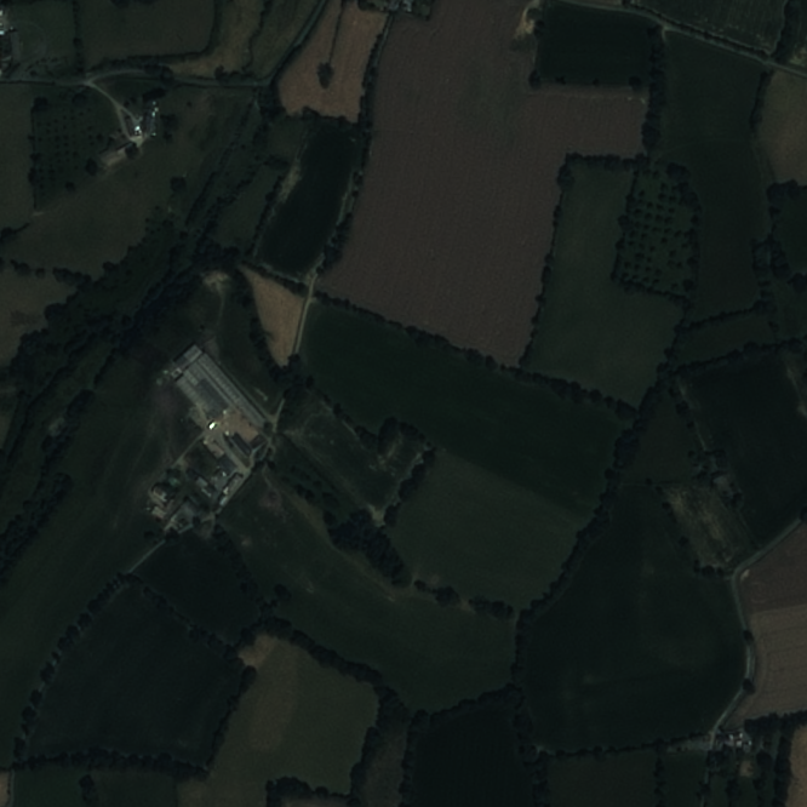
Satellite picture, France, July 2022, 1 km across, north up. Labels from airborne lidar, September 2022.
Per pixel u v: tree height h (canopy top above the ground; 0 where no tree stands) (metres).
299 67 0
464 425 0
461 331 0
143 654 0
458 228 0
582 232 0
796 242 0
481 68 0
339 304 13
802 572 0
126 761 15
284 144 0
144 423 0
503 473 0
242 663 15
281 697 0
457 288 0
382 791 0
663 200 10
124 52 0
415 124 0
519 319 0
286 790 19
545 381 13
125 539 0
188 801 0
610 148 0
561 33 0
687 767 0
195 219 9
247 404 0
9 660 0
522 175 0
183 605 0
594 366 0
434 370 0
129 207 0
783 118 0
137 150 16
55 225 0
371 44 0
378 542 32
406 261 0
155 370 0
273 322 0
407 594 0
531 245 0
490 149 0
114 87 0
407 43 0
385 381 0
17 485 0
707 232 0
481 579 0
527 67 0
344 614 0
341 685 0
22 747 23
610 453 0
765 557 0
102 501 0
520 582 0
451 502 0
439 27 0
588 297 0
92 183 0
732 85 0
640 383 0
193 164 0
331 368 0
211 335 0
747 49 10
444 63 0
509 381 0
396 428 17
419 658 0
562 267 0
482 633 0
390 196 0
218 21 7
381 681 11
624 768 0
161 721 0
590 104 0
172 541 13
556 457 0
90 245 0
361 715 0
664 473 0
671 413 0
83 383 0
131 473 0
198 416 0
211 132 0
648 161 15
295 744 0
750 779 0
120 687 0
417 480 13
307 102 0
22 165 0
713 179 0
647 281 7
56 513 8
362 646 0
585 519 0
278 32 0
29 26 0
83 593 0
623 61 0
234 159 0
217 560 0
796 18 6
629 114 0
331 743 0
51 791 0
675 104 0
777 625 0
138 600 0
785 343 10
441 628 0
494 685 0
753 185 0
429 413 0
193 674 0
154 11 0
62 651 15
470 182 0
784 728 19
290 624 13
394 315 0
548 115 0
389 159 0
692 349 0
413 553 0
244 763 0
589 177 0
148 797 0
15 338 0
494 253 0
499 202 0
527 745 12
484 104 0
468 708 10
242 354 0
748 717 0
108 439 0
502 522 0
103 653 0
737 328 0
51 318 21
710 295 0
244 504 0
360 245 0
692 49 0
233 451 0
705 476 12
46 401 9
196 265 19
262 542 0
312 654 13
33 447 0
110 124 0
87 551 0
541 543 0
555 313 0
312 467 6
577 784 0
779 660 0
